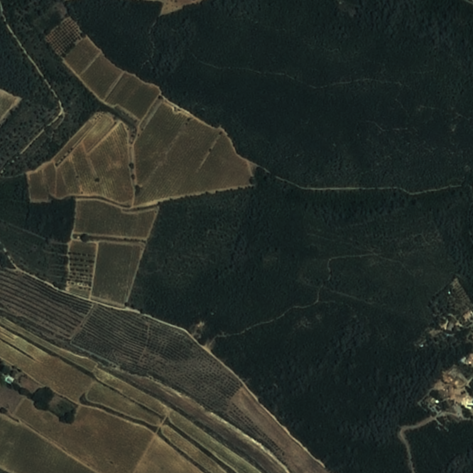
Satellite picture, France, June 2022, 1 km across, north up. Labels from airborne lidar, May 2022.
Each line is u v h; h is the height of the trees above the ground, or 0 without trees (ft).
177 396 0
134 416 0
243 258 60
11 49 22
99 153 0
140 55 20
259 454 0
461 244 60
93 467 0
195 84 17
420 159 26
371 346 20
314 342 19
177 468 0
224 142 0
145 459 0
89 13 39
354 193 43
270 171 24
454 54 18
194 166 0
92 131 0
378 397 19
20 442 0
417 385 53
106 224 0
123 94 0
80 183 0
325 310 21
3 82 65
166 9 0
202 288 20
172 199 30
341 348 66
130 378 0
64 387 0
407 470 20
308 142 17
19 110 36
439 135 19
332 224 34
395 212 68
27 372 0
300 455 0
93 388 0
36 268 0
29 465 0
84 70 0
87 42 0
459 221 65
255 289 18
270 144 21
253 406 0
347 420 18
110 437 0
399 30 45
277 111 18
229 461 0
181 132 0
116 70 0
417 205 71
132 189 0
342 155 18
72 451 0
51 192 0
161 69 25
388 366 24
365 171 23
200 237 26
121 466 0
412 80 25
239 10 50
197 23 27
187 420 0
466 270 55
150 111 0
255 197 48
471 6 27
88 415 0
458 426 21
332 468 43
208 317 31
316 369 28
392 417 68
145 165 0
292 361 45
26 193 69
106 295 0
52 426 0
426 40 31
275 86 19
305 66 17
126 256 0
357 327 50
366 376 20
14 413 0
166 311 19
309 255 18
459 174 25
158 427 0
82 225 0
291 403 19
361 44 24
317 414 19
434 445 21
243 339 18
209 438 0
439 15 19
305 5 22
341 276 24
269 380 21
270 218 24
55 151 34
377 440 66
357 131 20
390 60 17
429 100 25
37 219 42
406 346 21
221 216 26
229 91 20
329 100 20
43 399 47
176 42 48
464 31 38
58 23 23
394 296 22
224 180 0
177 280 23
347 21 23
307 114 20
